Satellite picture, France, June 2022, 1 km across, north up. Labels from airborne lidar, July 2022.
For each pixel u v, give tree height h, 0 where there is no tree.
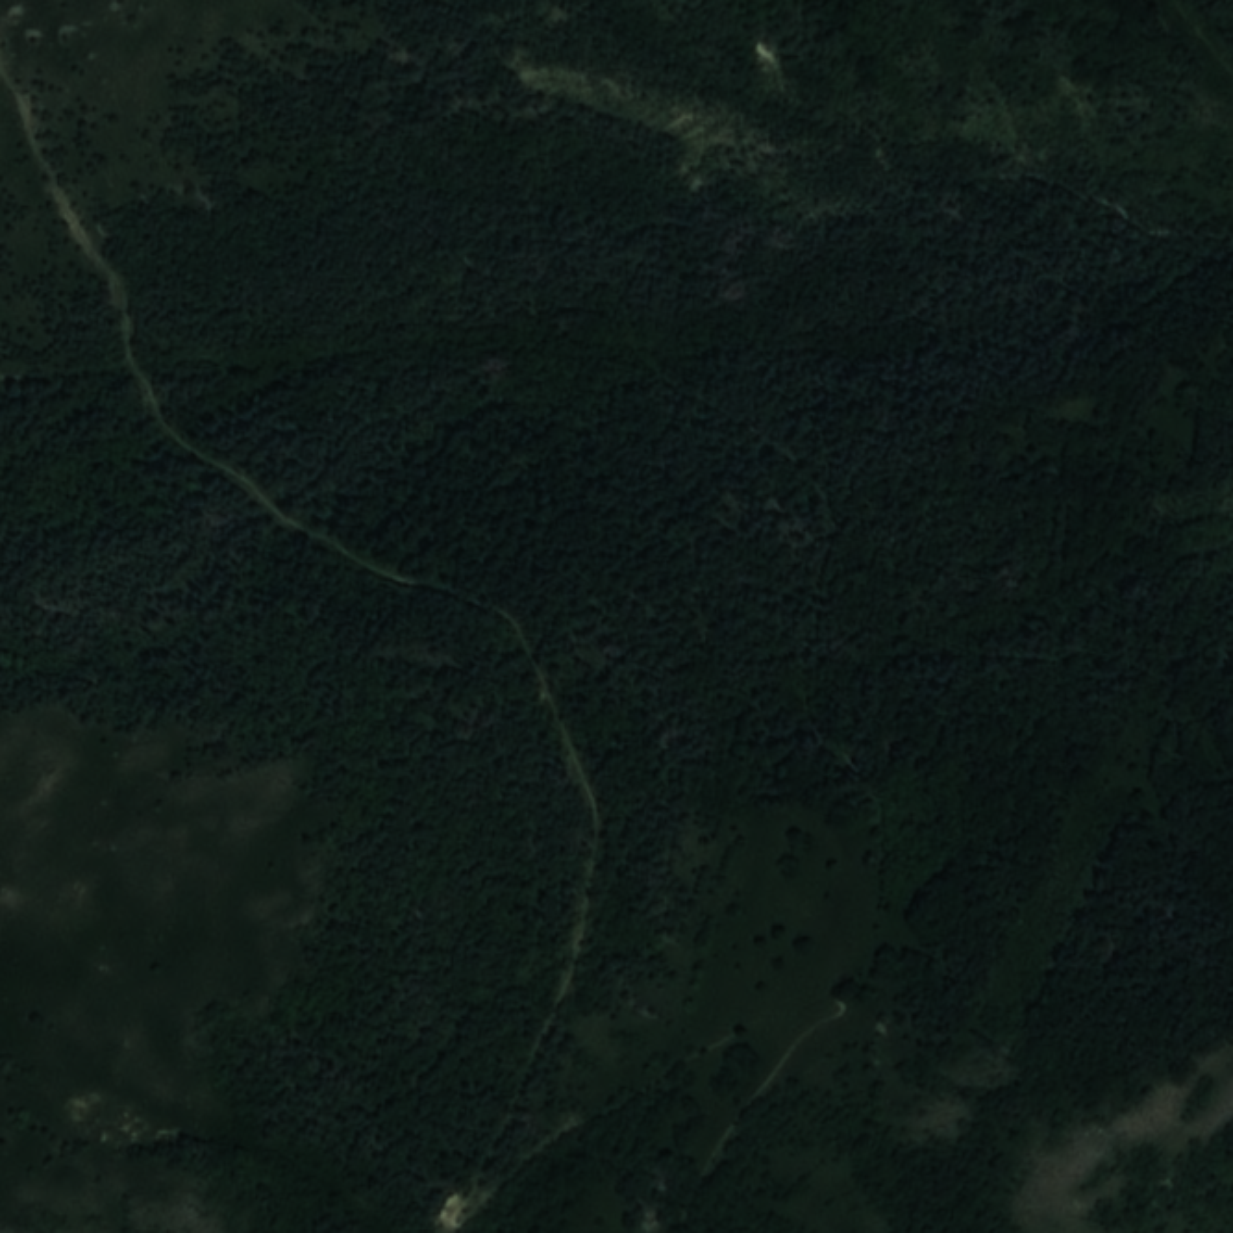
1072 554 26
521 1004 11
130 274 10
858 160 9
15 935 0
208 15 0
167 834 0
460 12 16
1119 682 24
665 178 12
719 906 0
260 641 13
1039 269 9
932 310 16
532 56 6
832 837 0
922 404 25
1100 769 16
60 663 8
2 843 0
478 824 12
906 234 18
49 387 21
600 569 20
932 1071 12
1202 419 17
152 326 22
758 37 10
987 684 14
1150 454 9
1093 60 15
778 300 16
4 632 12
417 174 16
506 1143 17
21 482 10
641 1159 19
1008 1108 20
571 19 8
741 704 26
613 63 11
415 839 12
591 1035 0
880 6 11
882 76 11
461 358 17
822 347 20
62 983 0
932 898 24
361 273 19
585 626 9
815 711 13
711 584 18
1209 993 20
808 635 8
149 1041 0
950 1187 24
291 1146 10
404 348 14
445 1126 24
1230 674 24
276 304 15
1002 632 17
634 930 11
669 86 11
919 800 7
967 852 21
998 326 17
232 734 9
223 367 8
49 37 0
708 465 25
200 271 17
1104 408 12
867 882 0
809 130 12
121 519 17
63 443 12
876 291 27
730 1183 14
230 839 0
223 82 16
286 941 0
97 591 16
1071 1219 0
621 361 13
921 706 22
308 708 11
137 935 0
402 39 19
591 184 16
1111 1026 21
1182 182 12
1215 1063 0
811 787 27
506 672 17
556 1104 9
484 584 18
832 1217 0
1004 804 20
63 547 9
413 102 16
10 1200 0
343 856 7
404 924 10
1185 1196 8
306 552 26
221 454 28
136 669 8
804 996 0
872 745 24
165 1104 0
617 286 8
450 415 14
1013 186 8
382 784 12
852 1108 11
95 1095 0
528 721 19
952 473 16
